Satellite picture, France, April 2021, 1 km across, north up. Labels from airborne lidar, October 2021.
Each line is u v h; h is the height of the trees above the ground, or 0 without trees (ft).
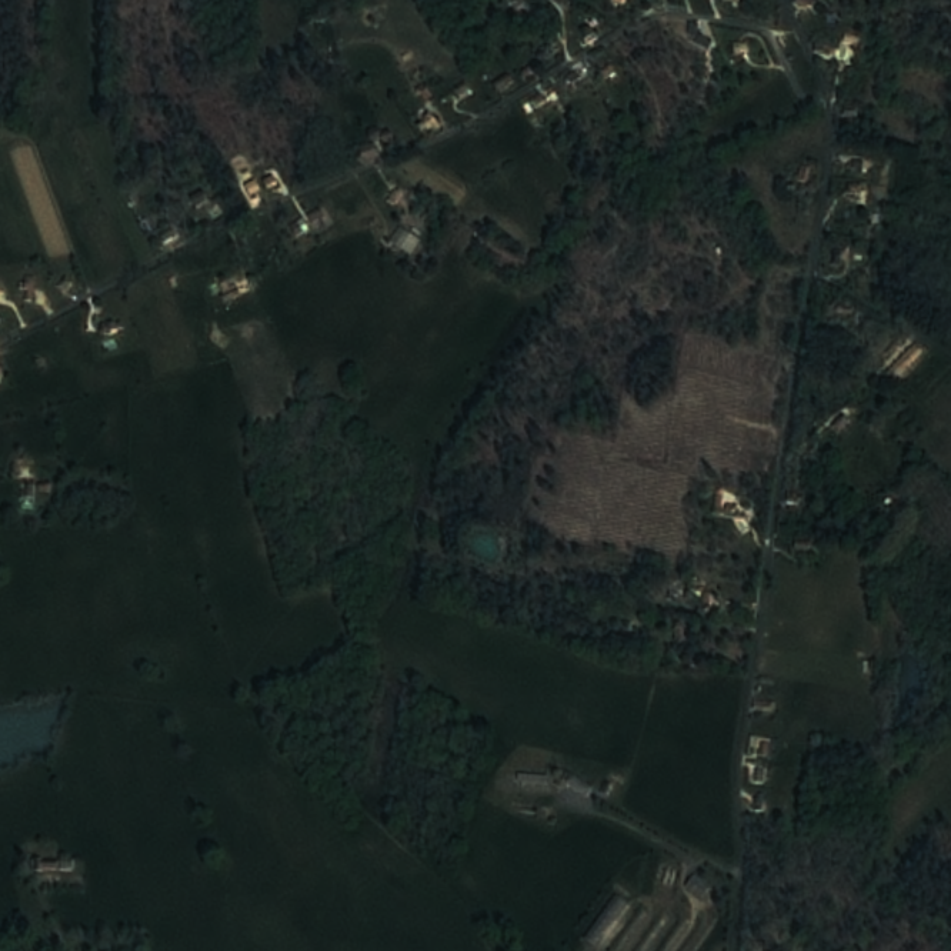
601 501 0
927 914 36
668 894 0
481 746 56
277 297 0
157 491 0
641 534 0
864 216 50
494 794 0
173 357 0
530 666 0
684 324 22
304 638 0
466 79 46
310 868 0
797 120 26
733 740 0
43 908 0
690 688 0
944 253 69
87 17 0
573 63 0
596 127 34
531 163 0
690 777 0
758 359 0
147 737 0
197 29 44
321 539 62
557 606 42
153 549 0
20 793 0
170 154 58
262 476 44
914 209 42
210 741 0
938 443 0
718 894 40
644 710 0
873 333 53
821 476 61
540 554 56
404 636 0
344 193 0
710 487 35
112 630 0
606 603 54
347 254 0
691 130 52
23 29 71
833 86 20
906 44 47
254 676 0
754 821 47
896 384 41
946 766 0
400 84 0
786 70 0
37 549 0
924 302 61
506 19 53
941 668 59
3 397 0
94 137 0
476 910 0
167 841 0
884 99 67
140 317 0
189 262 0
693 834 0
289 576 49
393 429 0
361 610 77
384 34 0
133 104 56
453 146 0
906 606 71
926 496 73
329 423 80
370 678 60
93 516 51
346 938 0
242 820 0
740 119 0
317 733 66
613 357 38
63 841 0
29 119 45
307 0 25
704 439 0
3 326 0
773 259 66
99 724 0
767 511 56
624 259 29
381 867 0
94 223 0
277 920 0
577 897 0
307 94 30
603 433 25
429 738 53
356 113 0
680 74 35
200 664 0
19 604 0
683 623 57
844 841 65
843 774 84
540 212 0
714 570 46
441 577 49
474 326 0
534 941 0
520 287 53
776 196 21
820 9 31
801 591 0
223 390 0
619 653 54
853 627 0
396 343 0
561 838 0
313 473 52
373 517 65
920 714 38
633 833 0
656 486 0
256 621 0
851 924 47
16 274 0
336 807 67
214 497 0
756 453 0
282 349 0
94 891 0
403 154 57
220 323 0
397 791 50
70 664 0
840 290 26
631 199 73
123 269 0
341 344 0
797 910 24
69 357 0
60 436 51
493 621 40
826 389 47
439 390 0
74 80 0
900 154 68
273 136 27
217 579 0
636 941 0
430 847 38
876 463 0
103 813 0
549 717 0
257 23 52
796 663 0
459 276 0
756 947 47
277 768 0
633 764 0
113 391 0
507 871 0
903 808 0
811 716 0
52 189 0
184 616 0
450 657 0
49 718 0
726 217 57
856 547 62
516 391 71
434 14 75
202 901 0
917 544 52
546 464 0
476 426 61
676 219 39
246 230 59
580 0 54
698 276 35
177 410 0
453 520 31
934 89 0
